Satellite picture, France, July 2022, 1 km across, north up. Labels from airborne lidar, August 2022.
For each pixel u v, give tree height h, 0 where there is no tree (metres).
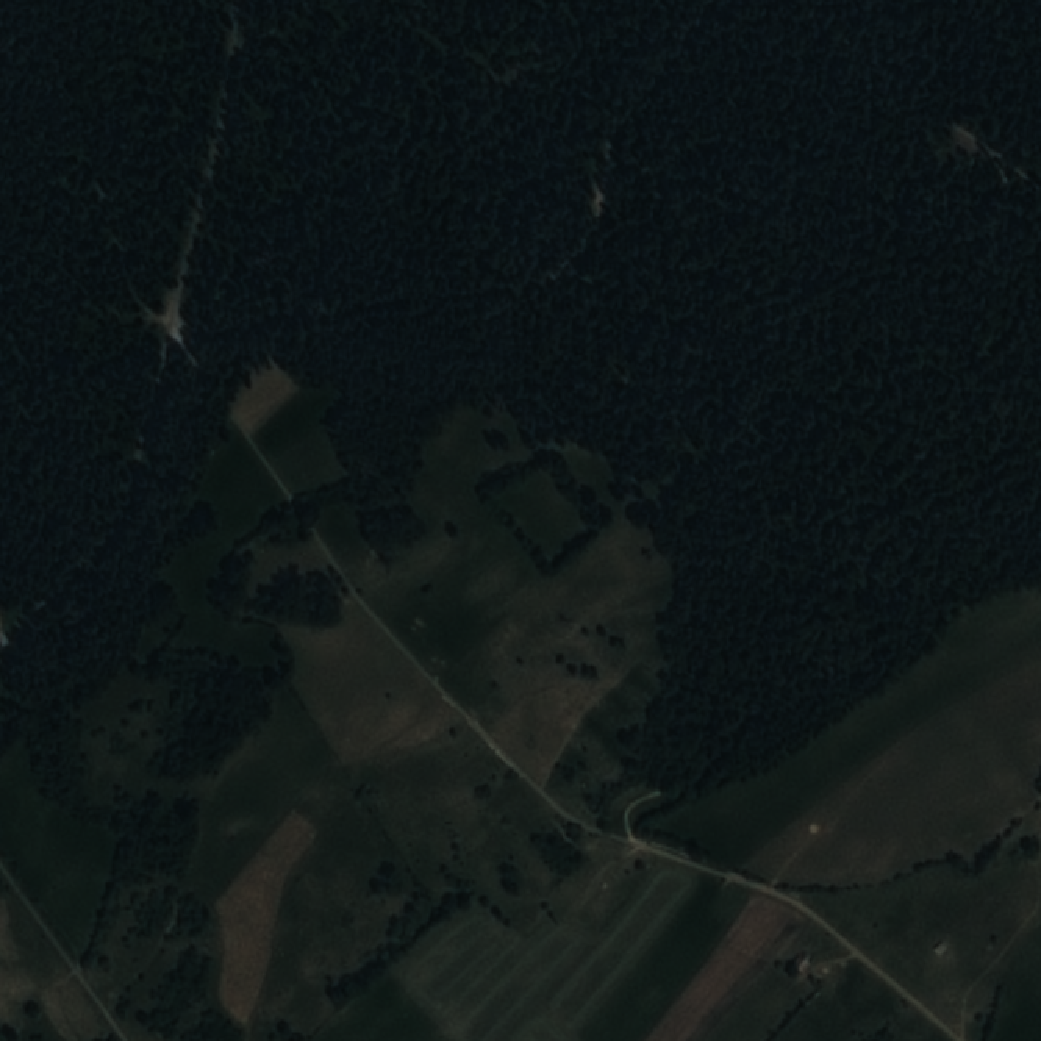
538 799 0
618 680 0
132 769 0
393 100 28
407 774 0
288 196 13
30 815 0
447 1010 0
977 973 0
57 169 19
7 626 0
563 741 0
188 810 22
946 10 17
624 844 0
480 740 0
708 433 17
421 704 0
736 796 0
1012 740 0
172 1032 7
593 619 0
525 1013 0
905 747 0
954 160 13
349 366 27
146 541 30
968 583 27
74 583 16
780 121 28
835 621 31
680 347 31
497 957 0
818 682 19
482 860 0
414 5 25
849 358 24
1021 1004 0
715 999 0
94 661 25
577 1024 0
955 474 15
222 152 15
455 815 0
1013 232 27
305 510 24
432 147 30
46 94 20
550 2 35
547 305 20
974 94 28
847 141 31
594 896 0
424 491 0
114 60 20
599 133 36
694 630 20
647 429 32
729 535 22
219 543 0
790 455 26
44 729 7
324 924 0
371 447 19
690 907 0
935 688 0
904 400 26
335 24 27
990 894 0
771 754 18
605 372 14
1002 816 0
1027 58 28
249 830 0
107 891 8
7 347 26
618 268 17
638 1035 0
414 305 24
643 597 0
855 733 0
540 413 28
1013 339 20
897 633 24
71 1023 0
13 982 0
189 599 0
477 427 0
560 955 0
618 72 35
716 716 17
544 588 0
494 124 29
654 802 0
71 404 35
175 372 24
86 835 0
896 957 0
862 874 0
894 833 0
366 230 31
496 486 20
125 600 22
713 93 20
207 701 15
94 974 0
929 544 24
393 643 0
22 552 17
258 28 7
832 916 0
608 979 0
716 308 27
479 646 0
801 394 11
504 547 0
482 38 6
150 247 23
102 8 19
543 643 0
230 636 0
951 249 25
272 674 19
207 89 12
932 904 0
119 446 6
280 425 0
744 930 0
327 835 0
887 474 29
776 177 36
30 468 26
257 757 0
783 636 26
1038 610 0
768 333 28
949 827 0
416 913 10
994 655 0
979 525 34
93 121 21
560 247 39
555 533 0
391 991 0
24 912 0
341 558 0
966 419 18
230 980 0
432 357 29
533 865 0
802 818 0
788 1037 0
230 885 0
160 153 17
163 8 23
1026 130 29
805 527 20
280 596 21
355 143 29
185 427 30
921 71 34
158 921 6
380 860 0
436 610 0
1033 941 0
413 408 18
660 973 0
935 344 30
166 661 10
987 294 23
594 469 0
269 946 0
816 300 22
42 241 22
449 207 25
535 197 22
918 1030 0
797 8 29
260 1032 0
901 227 24
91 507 25
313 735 0
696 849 17
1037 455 18
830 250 32
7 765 0
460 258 18
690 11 38
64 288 23
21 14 20
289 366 25
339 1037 0
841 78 36
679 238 16
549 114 20
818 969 0
